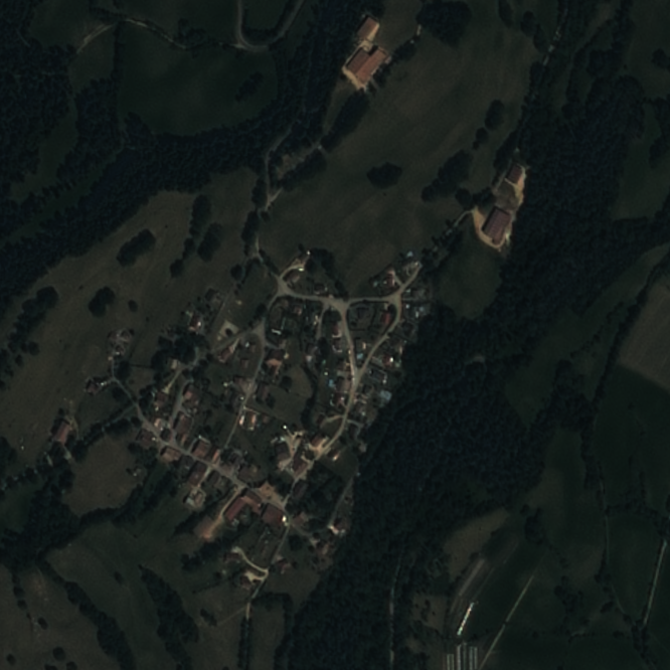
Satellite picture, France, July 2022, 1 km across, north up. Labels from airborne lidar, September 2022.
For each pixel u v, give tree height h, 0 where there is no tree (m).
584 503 0
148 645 0
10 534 16
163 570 0
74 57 6
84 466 0
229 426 0
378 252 0
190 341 6
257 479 0
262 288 0
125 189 22
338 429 0
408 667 18
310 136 22
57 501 21
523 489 8
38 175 0
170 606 23
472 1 0
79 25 0
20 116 21
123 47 19
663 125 16
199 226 16
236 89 0
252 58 0
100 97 19
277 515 0
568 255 31
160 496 16
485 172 0
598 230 9
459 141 0
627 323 13
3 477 13
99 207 23
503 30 0
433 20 24
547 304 28
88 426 0
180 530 12
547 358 0
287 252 0
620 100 27
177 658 13
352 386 0
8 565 11
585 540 0
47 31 0
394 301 0
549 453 0
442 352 23
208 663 0
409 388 20
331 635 31
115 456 0
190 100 0
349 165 0
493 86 0
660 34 0
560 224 28
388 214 0
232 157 24
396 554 19
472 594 0
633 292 0
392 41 0
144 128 30
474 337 32
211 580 0
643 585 0
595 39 7
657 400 0
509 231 0
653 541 0
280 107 16
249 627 12
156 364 14
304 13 0
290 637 15
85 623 0
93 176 0
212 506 6
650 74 0
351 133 0
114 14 6
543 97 10
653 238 20
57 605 0
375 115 0
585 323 0
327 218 0
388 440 26
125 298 0
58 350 0
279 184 9
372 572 5
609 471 0
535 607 0
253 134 17
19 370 0
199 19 0
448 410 19
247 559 0
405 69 0
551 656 0
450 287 0
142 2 0
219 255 0
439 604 0
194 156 22
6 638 0
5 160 21
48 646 0
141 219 0
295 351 0
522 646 0
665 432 0
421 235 0
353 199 0
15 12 16
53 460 8
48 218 0
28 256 19
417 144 0
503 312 33
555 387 8
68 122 0
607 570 10
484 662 0
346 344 0
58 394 0
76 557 0
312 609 18
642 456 0
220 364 0
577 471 0
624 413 0
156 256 0
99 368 0
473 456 28
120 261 16
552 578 0
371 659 25
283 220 0
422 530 9
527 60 0
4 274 19
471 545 0
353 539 22
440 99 0
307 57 13
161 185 13
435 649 0
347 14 22
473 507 7
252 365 0
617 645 0
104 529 0
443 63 0
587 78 0
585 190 30
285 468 0
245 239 15
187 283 0
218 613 0
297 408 0
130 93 0
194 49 11
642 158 0
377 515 34
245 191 0
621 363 0
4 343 0
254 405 0
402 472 25
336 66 16
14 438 0
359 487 23
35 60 27
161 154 23
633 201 0
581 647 0
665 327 0
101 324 0
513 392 0
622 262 25
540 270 31
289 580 0
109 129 21
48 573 11
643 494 8
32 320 16
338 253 0
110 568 0
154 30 6
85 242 12
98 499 0
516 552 0
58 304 0
